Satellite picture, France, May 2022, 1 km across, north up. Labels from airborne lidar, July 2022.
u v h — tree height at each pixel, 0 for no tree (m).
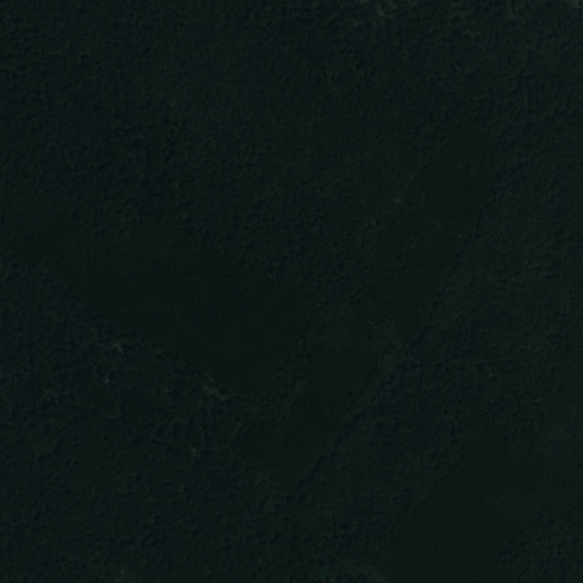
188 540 17
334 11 20
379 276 7
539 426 10
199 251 10
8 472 14
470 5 19
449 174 7
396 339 6
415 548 7
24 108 20
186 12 18
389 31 18
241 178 19
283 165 18
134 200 14
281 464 7
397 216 9
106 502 17
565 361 16
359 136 14
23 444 19
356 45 24
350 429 22
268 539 23
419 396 23
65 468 15
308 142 19
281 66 19
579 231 21
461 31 21
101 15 17
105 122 18
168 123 20
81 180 14
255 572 19
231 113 14
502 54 19
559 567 14
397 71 16
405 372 22
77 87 16
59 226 11
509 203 16
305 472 10
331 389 5
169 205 21
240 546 23
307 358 18
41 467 14
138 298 10
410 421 23
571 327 13
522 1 18
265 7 25
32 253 12
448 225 8
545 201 6
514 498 11
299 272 14
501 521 9
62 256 10
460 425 21
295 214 14
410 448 21
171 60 15
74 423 21
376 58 20
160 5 16
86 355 25
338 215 18
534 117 23
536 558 7
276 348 10
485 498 10
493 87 21
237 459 6
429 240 6
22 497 14
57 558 16
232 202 22
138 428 27
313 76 9
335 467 19
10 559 21
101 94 20
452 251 8
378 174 14
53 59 17
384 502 18
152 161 22
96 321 22
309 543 19
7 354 17
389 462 20
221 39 13
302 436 9
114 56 18
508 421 15
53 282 18
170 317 11
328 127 18
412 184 5
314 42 19
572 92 28
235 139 14
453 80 23
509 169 9
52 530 17
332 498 14
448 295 16
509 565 14
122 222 14
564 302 14
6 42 19
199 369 12
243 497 19
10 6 19
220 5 17
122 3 19
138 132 23
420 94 17
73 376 23
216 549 22
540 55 16
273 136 16
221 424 22
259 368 9
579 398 12
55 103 18
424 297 8
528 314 20
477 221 7
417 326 8
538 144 23
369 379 6
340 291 15
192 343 12
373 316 9
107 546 16
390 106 21
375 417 20
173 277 14
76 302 15
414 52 16
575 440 9
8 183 18
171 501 21
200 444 23
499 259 16
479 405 22
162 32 20
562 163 16
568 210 23
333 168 18
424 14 10
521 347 16
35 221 11
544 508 7
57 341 21
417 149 16
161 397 27
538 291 16
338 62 22
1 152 20
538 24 16
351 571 0
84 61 14
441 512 11
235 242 24
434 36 18
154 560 21
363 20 24
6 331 17
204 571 19
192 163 14
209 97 14
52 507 18
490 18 23
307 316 9
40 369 18
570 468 11
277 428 16
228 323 11
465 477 12
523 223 17
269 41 16
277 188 13
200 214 21
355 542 16
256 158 15
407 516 15
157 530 21
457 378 19
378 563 8
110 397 22
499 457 13
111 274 13
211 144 13
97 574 18
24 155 18
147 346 18
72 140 18
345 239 14
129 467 19
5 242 11
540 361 19
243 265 19
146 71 23
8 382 14
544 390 20
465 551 10
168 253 13
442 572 11
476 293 18
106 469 19
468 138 7
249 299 7
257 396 10
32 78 15
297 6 18
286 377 15
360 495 17
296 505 29
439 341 19
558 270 22
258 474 13
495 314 21
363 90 21
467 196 8
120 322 13
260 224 17
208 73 16
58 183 17
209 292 12
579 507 7
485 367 22
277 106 16
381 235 9
